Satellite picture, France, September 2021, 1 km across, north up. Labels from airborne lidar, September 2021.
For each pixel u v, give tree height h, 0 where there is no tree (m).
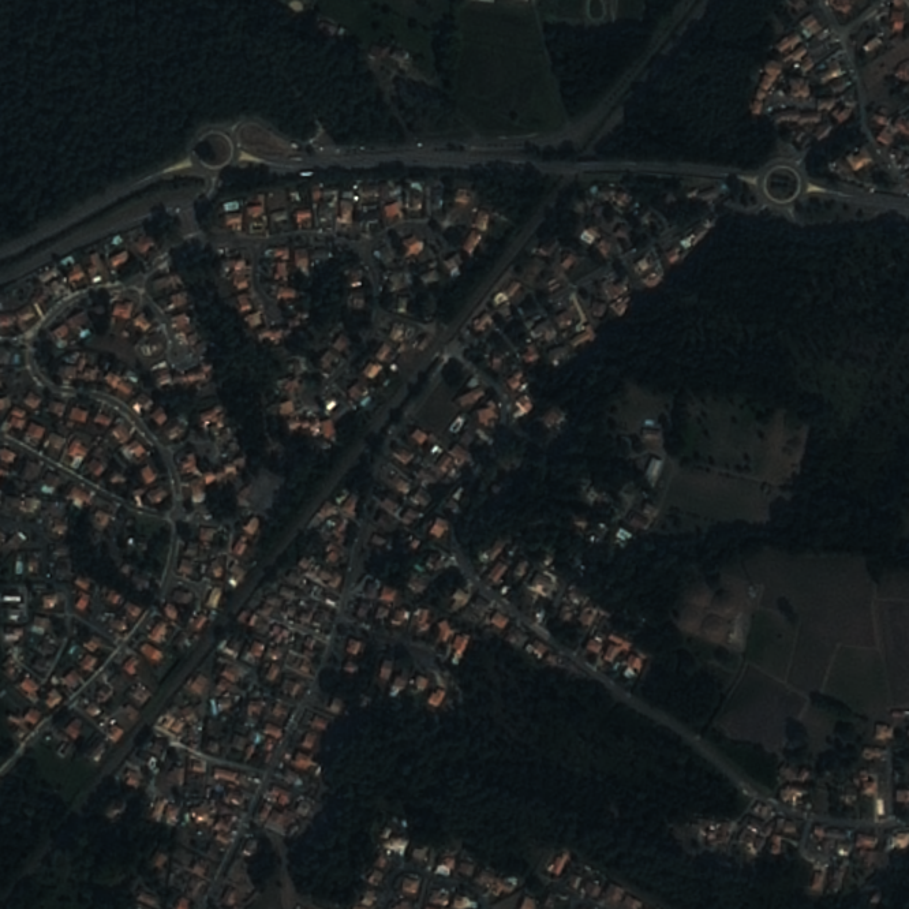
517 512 21
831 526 23
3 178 10
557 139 0
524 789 11
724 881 26
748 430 0
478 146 0
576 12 0
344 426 13
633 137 17
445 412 0
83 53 21
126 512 7
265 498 0
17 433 9
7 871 16
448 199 9
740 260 13
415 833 17
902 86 7
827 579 0
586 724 24
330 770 22
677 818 18
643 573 21
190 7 9
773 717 0
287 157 0
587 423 18
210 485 7
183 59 20
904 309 11
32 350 0
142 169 17
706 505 0
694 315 8
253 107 22
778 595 0
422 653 0
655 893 16
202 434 9
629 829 14
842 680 0
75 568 10
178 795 10
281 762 0
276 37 26
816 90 8
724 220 8
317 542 7
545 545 13
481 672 7
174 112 16
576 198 7
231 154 0
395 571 11
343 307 9
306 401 0
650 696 15
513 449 20
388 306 7
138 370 8
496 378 10
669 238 0
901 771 8
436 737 25
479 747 21
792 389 15
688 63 19
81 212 0
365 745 29
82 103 19
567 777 11
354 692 11
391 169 9
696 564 15
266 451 11
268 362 20
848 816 8
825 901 6
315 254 0
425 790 9
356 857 14
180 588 5
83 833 17
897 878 15
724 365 21
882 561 20
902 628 0
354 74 19
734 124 17
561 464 22
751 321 16
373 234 0
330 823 10
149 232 10
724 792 12
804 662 0
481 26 0
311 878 25
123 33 18
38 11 21
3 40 22
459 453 0
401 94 23
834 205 8
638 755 7
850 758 7
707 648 0
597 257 12
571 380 15
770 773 8
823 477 12
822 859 0
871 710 0
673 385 19
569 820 23
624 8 0
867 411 8
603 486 17
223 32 26
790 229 12
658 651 14
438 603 8
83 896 10
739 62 19
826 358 8
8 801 13
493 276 0
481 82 0
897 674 0
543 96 0
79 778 0
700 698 21
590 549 15
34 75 17
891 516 22
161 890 6
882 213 0
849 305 13
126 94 21
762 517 0
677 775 14
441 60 23
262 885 9
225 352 23
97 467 0
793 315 15
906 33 11
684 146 19
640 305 17
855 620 0
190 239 0
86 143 18
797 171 0
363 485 13
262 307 0
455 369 11
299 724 0
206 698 0
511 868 18
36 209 21
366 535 0
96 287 0
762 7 13
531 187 14
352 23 0
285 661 0
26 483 7
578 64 12
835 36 0
